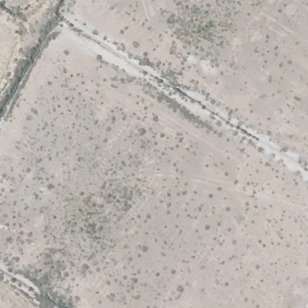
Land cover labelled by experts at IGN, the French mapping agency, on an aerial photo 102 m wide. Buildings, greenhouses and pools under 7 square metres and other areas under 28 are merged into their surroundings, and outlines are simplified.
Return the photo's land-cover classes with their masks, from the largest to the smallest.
<instances>
[{"label":"pervious surface","instance_id":"1","mask_svg":"<svg viewBox=\"0 0 308 308\"><path fill-rule=\"evenodd\" d=\"M59 0H0V90L7 82L6 73L16 70L17 64L14 63V59L25 60V55L19 53V48H31L36 45L40 29L55 16V5ZM59 12L65 19H69L73 26L69 28L64 22L54 26L53 30L59 32V36L49 42L41 57L32 66L28 82L20 90L19 107H14L11 118L0 119V308H40V301H37L35 296L40 294L38 286L20 274L8 272L7 266L2 262L5 257L11 260L16 256L19 257V261L14 263V269H26L32 276L35 269L40 268L41 272L37 274V279L47 274L54 292L66 298L72 297L73 308H308V0H65ZM144 52L148 53V59L152 63L162 61L167 67L172 65V71H179L180 67H184L183 76L177 78L178 83L190 87L194 85L190 79L199 81L215 99L214 105L196 91L188 90L186 94L200 100L212 112L227 118L226 107L238 108L236 113H232L231 123L241 125L243 132H239L237 136L233 135L236 128H230L215 118L211 119L206 109H202L196 103L185 101L173 88H165L168 84L167 78L162 77L158 70L150 66L140 65ZM129 76L147 79V82L161 93L176 100L191 113L199 115L202 120H206L213 129L223 131V136H215L205 128H195V125L182 114L173 112L166 102H159L144 94L140 85L124 84V78Z\"/></svg>","mask_w":308,"mask_h":308},{"label":"brushwood","instance_id":"2","mask_svg":"<svg viewBox=\"0 0 308 308\"><path fill-rule=\"evenodd\" d=\"M65 0H59L55 5V16L40 29L36 45L31 48H19V53L25 55V60L14 59V63L17 64L16 70L6 73L7 82L0 90V119L11 118L14 107H19L20 90L28 82L32 66L41 57L49 42L59 36V32L53 30L54 26L64 22L69 28L73 26L69 19H65L59 12ZM140 65L150 66L158 70L162 77L167 78L168 84L165 88H173L185 101L196 103L202 109H206L211 119L215 118L230 128H236L233 135L237 136L239 132H243L241 125L231 123L232 113H236L238 108L226 107L227 118L212 112L200 100L186 94L188 90L196 91L214 105L215 99L199 81L190 79L194 85L190 87L178 83L177 78L183 76L184 67H180L179 71H172V65L167 67L162 61L152 63L148 59V53L144 52ZM140 85L144 94L159 102H166L173 112L182 114L195 125V128H205L215 136H223V131L213 129L206 120H202L199 115L191 113L176 100L161 93L147 82V79L129 76L124 78V84ZM19 261V257L16 256L11 260L5 257L2 262L7 266L8 272L20 274L38 286L40 294L35 296L37 301H40V308H73L72 297L66 298L54 292L47 274L37 279V274L41 272L40 268L35 269L32 276L26 269H14V263Z\"/></svg>","mask_w":308,"mask_h":308}]
</instances>
